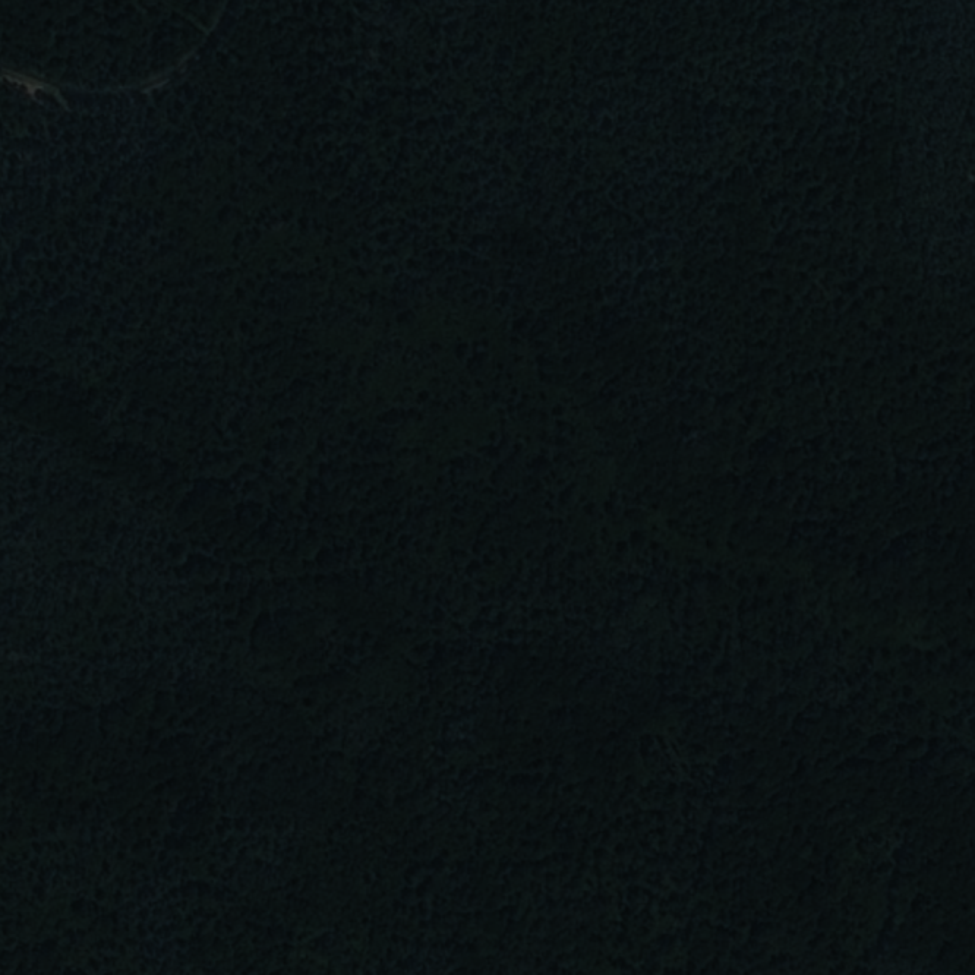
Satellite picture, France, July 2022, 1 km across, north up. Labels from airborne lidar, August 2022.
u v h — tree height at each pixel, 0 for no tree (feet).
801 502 78
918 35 62
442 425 19
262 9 71
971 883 98
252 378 26
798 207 22
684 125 58
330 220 62
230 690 84
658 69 57
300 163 69
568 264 77
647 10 33
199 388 38
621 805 61
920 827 71
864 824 72
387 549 32
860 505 62
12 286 50
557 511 24
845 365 79
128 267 35
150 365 75
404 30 65
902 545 46
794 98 73
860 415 75
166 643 18
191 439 48
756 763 80
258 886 45
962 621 84
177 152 63
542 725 81
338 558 75
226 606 50
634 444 74
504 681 58
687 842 87
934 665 78
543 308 62
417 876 62
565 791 60
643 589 79
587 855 53
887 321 67
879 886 33
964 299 77
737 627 24
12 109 63
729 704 93
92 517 48
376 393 29
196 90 59
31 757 69
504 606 68
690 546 24
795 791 98
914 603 50
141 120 72
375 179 38
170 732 23
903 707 70
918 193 66
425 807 64
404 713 65
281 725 76
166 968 69
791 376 79
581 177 21
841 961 28
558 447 54
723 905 28
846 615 40
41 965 72
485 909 79
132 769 80
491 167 59
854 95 65
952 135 68
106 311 40
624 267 48
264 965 25
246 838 58
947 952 80
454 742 76
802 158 61
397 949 37
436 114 26
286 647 86
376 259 47
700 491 75
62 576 64
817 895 72
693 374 71
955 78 82
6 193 76
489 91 54
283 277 56
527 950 30
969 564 86
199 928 46
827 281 81
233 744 53
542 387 23
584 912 65
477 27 35
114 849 49
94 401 63
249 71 82
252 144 81
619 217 70
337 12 72
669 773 75
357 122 27
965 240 75
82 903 64
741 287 54
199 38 69
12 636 52
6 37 72
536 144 23
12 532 52
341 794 45
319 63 86
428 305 28
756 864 73
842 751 82
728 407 73
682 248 60
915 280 77
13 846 26
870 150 78
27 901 48
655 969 59
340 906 33
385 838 24
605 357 85
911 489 93
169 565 23
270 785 68
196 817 73
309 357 66
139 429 64
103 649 24
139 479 57
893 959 74
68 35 79
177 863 37
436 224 62
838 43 63
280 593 54
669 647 60
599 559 62
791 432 72
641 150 46
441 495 26
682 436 84
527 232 83
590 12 37
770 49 46
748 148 20
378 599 93
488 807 84
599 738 77
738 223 66
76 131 73
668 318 83
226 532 63
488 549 64
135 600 56
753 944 74
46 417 84
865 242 71
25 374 69
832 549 81
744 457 80
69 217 31
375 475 73
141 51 72
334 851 38
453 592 75
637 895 77
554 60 28
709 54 41
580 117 26
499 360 20
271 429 24
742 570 25
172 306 49
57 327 69
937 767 91
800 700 82
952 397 81
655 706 89
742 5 63
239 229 26
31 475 18
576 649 71
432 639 46
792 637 73
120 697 21
